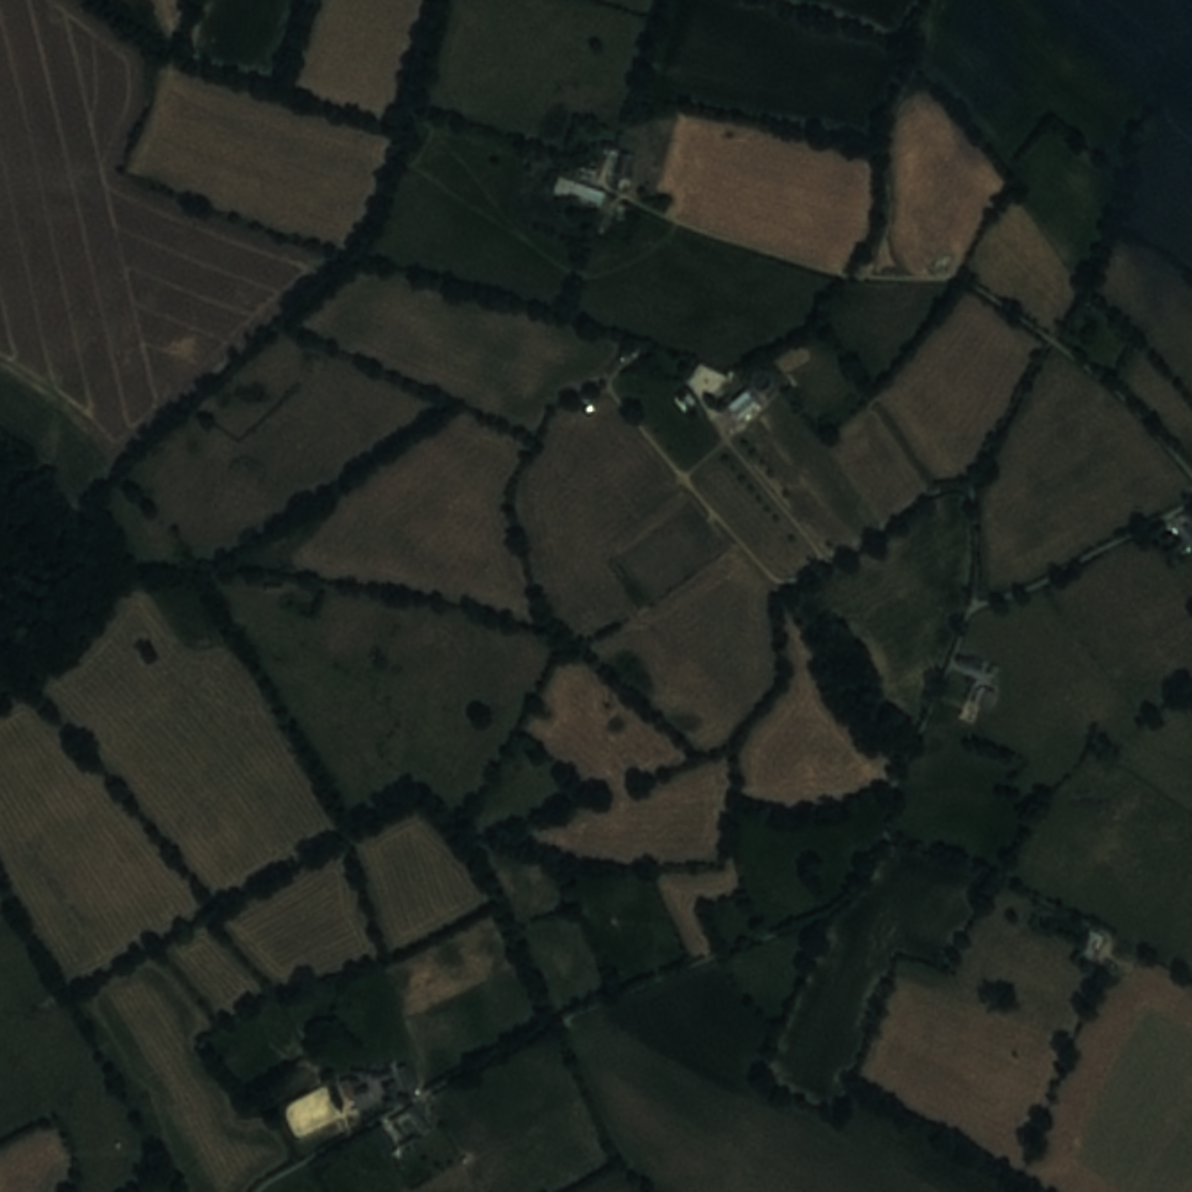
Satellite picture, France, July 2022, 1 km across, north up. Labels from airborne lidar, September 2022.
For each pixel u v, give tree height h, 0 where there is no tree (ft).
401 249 0
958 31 0
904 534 30
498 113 0
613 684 46
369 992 0
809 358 0
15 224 0
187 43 60
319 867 46
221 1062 53
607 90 0
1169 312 0
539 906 0
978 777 0
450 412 48
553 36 0
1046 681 0
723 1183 0
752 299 0
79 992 52
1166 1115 0
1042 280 0
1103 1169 0
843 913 21
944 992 0
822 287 0
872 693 59
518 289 0
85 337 0
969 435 0
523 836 50
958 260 0
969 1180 0
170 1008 0
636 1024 0
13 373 0
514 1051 26
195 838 0
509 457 0
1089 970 41
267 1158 0
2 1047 0
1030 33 0
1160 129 0
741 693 0
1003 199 38
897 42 51
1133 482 0
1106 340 0
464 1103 0
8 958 0
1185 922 0
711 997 0
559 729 0
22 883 0
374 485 0
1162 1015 0
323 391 0
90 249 0
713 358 0
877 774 0
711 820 0
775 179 0
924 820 0
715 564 0
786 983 0
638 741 0
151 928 0
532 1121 0
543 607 62
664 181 0
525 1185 0
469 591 0
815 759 0
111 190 0
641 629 0
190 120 0
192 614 0
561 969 0
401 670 0
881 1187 0
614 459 0
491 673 0
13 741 0
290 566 0
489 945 0
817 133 58
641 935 0
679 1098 0
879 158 43
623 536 0
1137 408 31
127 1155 0
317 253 23
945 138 0
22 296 0
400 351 0
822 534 0
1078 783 0
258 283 0
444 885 0
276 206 0
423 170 0
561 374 0
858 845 0
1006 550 0
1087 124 0
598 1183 22
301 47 33
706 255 0
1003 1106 0
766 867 0
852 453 0
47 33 0
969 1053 0
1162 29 0
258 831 0
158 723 0
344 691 0
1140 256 0
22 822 0
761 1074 57
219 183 0
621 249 0
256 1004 43
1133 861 0
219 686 0
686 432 0
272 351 0
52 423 0
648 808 0
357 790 0
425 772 0
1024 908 0
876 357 0
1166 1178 0
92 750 60
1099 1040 0
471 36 0
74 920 0
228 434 0
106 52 0
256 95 44
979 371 0
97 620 65
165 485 0
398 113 33
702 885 0
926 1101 0
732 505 0
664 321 0
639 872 47
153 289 0
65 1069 0
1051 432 0
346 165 0
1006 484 0
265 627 0
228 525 0
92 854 0
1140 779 0
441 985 0
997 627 0
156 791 0
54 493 47
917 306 0
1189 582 0
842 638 69
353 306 0
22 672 79
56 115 0
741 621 0
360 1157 0
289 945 0
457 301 52
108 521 64
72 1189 36
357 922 0
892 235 0
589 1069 0
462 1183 0
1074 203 0
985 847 0
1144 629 0
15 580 77
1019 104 0
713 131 0
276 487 0
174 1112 0
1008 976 0
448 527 0
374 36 0
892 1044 0
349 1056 0
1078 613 0
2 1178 0
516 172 0
